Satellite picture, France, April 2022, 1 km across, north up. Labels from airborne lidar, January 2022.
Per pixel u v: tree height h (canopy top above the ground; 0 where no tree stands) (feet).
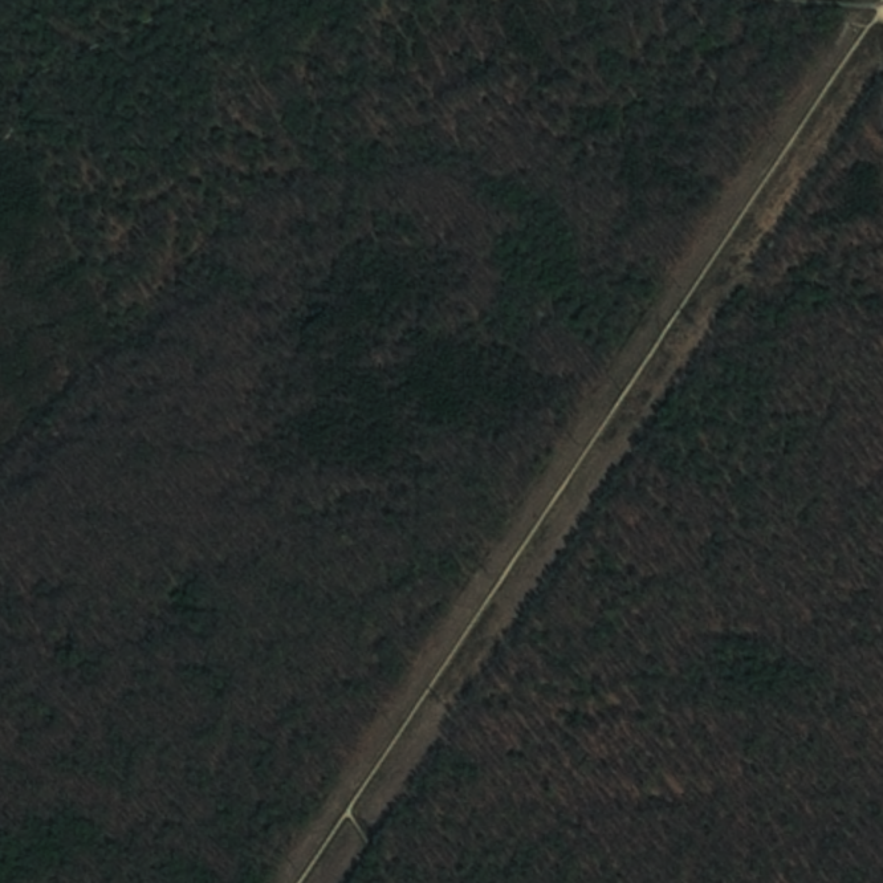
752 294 33
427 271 51
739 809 41
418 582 83
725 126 100
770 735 85
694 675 79
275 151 78
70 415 75
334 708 83
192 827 86
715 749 84
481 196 74
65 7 90
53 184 71
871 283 33
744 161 83
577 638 75
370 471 44
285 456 40
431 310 80
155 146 82
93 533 82
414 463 54
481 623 0
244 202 81
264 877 61
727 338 44
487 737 89
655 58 86
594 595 73
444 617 72
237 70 77
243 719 84
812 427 73
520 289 82
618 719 63
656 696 91
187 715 75
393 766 0
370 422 51
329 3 73
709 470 84
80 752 70
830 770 74
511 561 0
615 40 86
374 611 88
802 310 72
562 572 56
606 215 87
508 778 89
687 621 93
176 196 64
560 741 100
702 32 95
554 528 0
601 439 0
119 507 77
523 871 80
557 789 80
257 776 80
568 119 90
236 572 80
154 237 85
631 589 90
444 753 69
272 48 77
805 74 76
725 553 75
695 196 82
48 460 23
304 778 85
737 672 76
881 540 98
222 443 46
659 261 77
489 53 24
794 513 80
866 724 74
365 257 48
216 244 64
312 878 0
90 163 72
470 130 86
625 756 78
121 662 87
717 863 91
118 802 66
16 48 75
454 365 56
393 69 28
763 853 87
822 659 78
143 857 72
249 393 49
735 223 0
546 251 62
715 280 0
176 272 31
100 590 84
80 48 75
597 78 86
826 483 75
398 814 66
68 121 69
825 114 0
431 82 82
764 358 71
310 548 86
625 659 84
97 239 87
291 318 85
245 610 98
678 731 90
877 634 90
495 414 47
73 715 78
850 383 82
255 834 59
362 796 0
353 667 79
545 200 80
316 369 41
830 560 83
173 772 74
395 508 44
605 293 86
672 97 87
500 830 76
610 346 93
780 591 83
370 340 35
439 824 83
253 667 89
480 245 100
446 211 85
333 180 96
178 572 83
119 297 84
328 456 39
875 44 0
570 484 0
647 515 100
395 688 81
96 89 76
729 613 81
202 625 81
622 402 0
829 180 68
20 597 87
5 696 82
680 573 74
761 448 69
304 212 82
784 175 0
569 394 87
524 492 76
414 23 35
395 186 79
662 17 80
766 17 81
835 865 93
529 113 27
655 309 0
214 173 82
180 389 74
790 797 77
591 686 77
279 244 82
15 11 87
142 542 87
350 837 0
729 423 78
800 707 76
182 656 82
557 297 76
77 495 81
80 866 64
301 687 85
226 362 80
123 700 87
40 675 94
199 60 81
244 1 68
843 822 77
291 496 79
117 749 75
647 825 84
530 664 89
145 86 88
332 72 78
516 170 88
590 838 86
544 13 26
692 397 82
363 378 39
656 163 49
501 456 73
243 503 71
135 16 76
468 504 89
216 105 77
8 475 83
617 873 79
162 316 39
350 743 87
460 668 0
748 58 68
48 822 70
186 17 78
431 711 0
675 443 86
